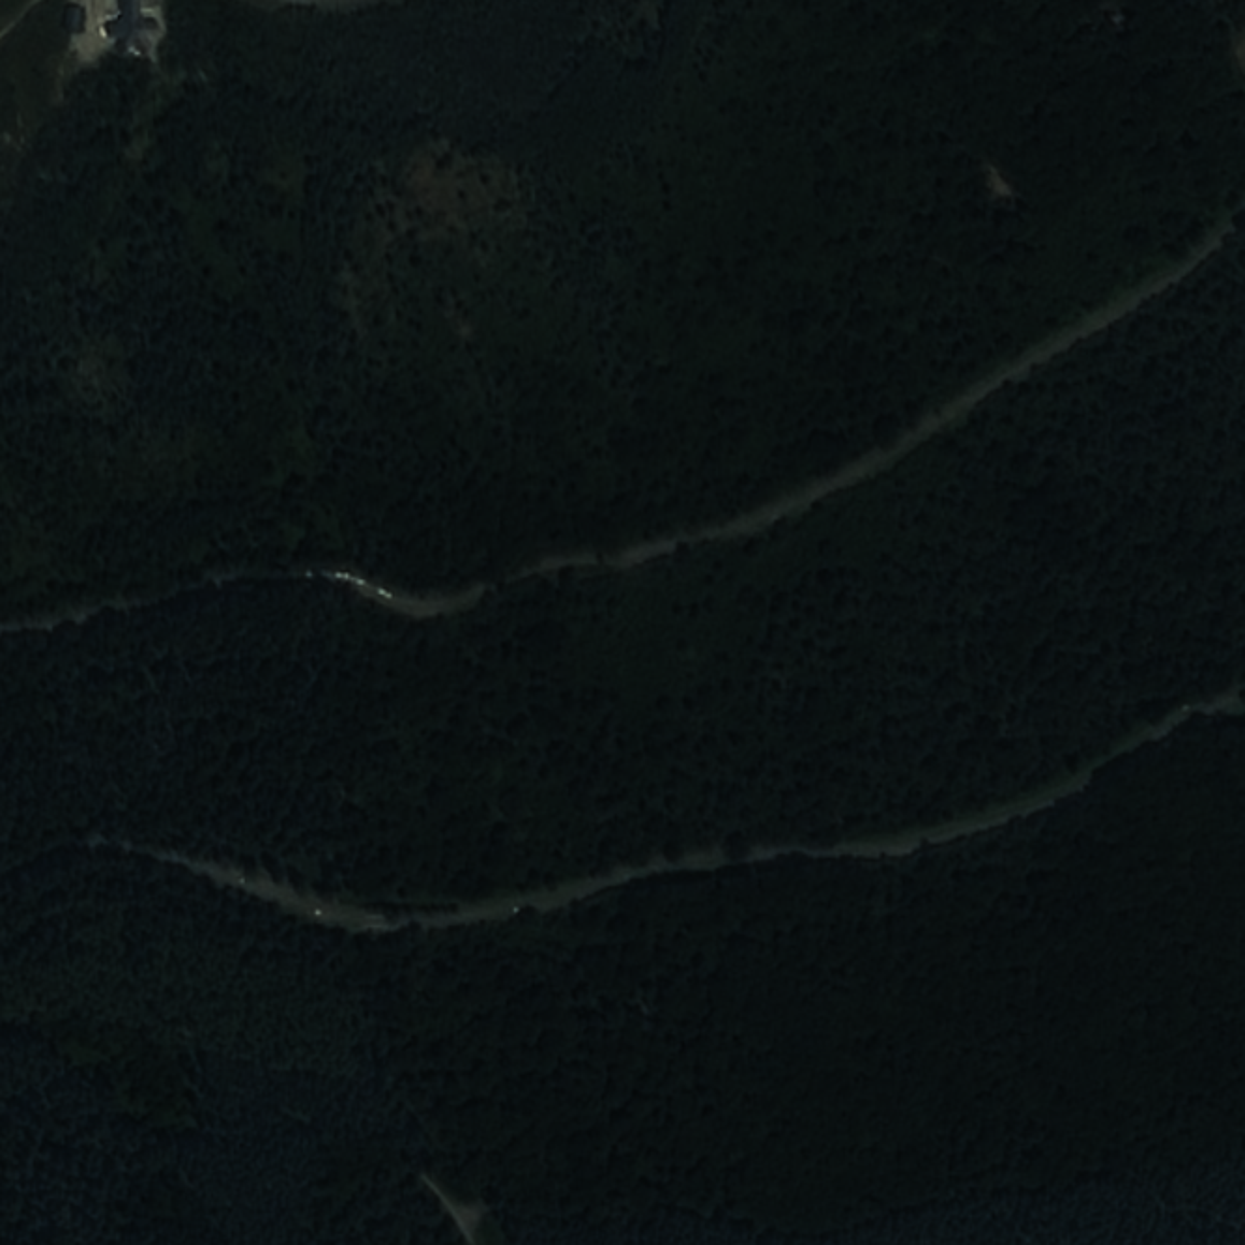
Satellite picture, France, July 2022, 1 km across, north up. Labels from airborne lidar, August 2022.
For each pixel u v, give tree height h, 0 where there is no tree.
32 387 29
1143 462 7
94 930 31
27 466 11
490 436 8
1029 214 22
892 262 15
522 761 14
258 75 9
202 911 18
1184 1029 19
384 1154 19
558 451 12
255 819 13
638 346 8
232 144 20
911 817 6
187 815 15
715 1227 28
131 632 15
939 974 17
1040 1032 21
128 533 15
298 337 27
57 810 22
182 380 17
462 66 9
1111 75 28
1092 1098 18
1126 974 17
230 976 30
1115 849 19
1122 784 17
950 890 18
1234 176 16
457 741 16
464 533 17
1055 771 17
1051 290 7
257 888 0
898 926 16
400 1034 13
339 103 17
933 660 5
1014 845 17
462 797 8
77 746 25
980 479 19
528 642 20
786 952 15
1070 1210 24
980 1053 15
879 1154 21
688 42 17
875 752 19
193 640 25
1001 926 20
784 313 13
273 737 15
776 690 17
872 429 8
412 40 9
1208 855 15
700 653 8
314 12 8
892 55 7
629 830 17
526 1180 21
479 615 8
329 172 20
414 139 16
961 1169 18
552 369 12
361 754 17
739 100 11
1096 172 14
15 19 0
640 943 19
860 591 16
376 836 8
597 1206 24
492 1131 22
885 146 14
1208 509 18
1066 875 19
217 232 12
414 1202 24
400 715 16
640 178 6
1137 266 8
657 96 19
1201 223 17
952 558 18
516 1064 19
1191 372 6
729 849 18
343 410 11
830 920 9
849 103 11
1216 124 22
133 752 20
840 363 12
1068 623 18
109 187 16
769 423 10
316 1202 24
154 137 18
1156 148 21
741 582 7
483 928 8
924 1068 19
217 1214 27
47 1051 37
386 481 7
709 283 11
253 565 17
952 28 12
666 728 13
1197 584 17
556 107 19
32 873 31
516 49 13
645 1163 11
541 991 23
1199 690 19
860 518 11
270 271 20
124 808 11
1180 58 20
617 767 14
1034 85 27
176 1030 32
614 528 25
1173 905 16
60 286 8
